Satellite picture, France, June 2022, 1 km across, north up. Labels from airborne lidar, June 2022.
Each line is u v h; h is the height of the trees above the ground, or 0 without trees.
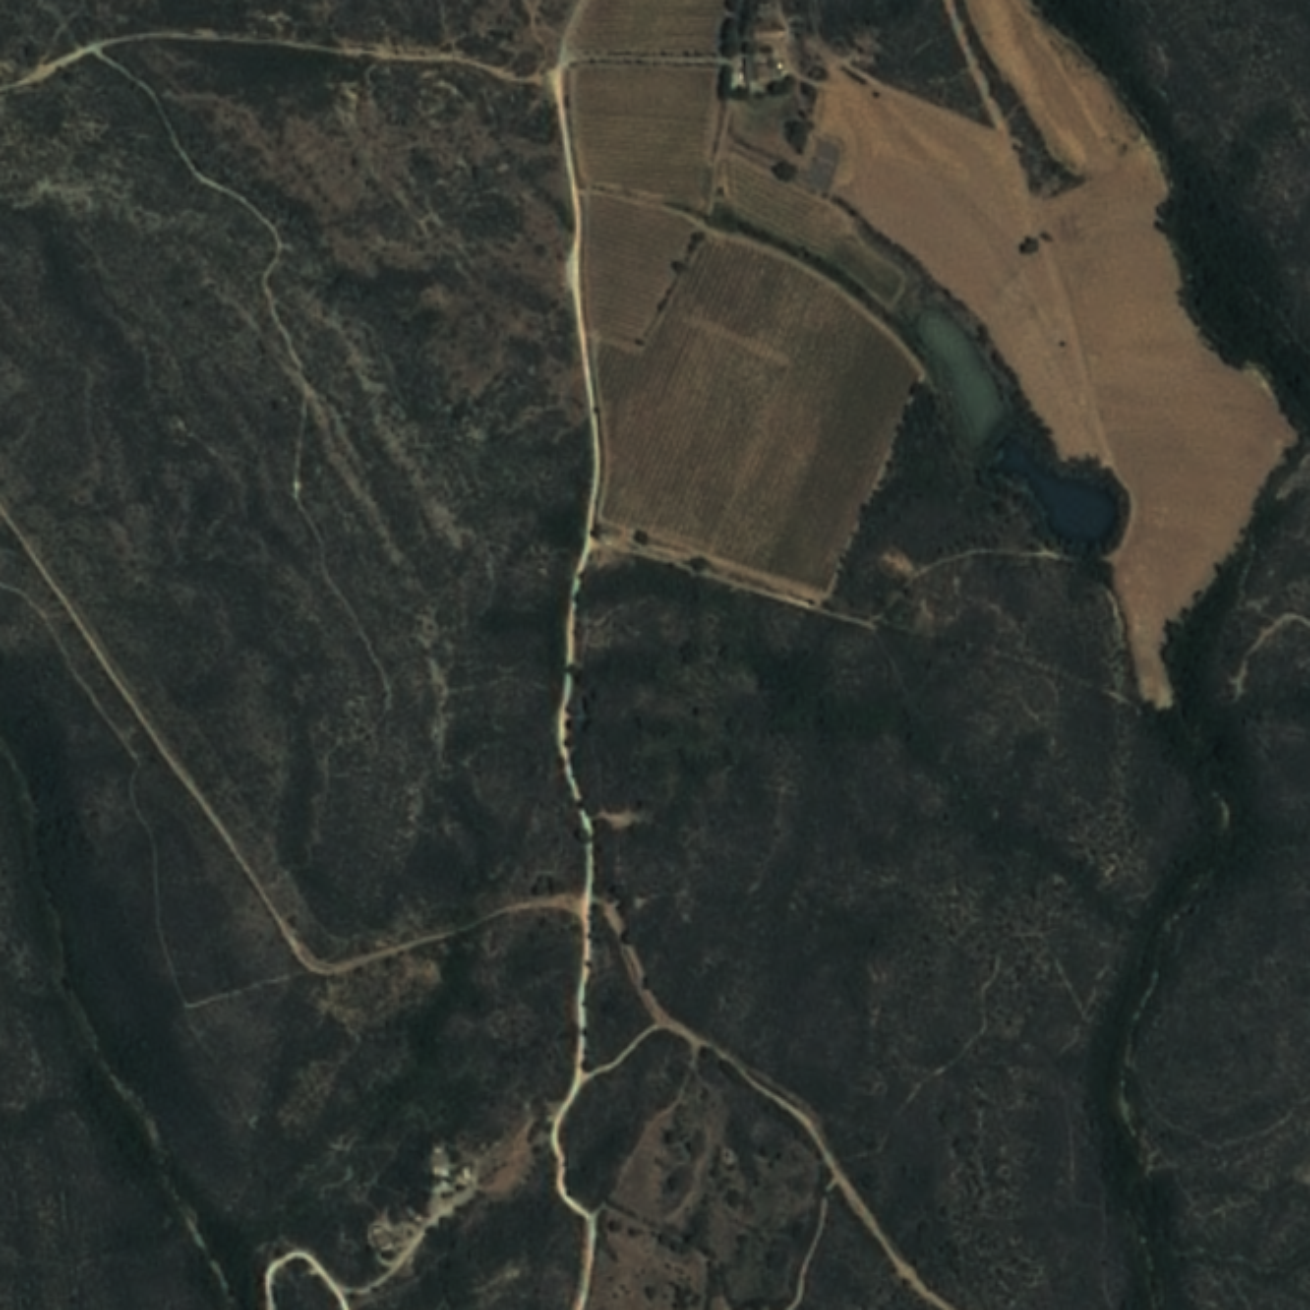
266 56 0
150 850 0
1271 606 0
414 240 0
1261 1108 0
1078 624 0
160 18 0
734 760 10
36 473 0
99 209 0
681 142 0
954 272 0
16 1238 0
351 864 0
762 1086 0
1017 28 0
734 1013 0
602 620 0
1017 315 0
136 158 0
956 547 7
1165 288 0
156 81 0
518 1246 0
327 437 0
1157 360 0
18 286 0
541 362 0
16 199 0
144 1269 0
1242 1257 0
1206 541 0
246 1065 0
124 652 0
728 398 0
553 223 0
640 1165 0
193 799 0
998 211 0
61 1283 0
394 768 0
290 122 0
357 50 0
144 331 0
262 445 0
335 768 0
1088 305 0
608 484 0
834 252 0
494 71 0
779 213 0
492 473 0
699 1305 6
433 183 0
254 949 0
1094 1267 0
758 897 0
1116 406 0
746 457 0
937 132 0
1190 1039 0
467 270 0
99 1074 6
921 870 0
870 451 0
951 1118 8
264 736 0
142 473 0
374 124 0
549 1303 0
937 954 0
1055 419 0
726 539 0
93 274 0
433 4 0
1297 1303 0
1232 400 0
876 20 6
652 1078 0
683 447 0
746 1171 7
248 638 0
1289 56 0
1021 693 0
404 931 0
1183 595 0
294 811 0
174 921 0
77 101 0
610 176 0
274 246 0
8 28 0
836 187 0
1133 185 0
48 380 0
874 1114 0
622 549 0
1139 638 0
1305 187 0
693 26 0
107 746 0
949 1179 0
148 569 0
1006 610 0
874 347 0
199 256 0
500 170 0
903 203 0
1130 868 0
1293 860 0
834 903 0
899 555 0
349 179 0
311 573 0
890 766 0
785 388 0
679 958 0
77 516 0
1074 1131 0
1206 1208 0
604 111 0
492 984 0
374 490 0
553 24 0
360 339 0
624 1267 0
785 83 8
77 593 0
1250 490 0
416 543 0
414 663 0
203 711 0
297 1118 0
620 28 0
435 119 0
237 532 0
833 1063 0
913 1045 0
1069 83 0
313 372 0
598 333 0
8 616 0
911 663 0
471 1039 0
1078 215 0
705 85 0
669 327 0
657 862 0
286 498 0
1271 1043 0
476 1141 0
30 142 0
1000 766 0
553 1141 0
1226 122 0
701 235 8
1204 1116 0
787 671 9
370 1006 0
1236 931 0
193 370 0
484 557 0
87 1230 0
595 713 10
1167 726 7
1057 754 0
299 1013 0
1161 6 0
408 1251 0
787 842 0
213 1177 0
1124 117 0
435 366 0
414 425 0
